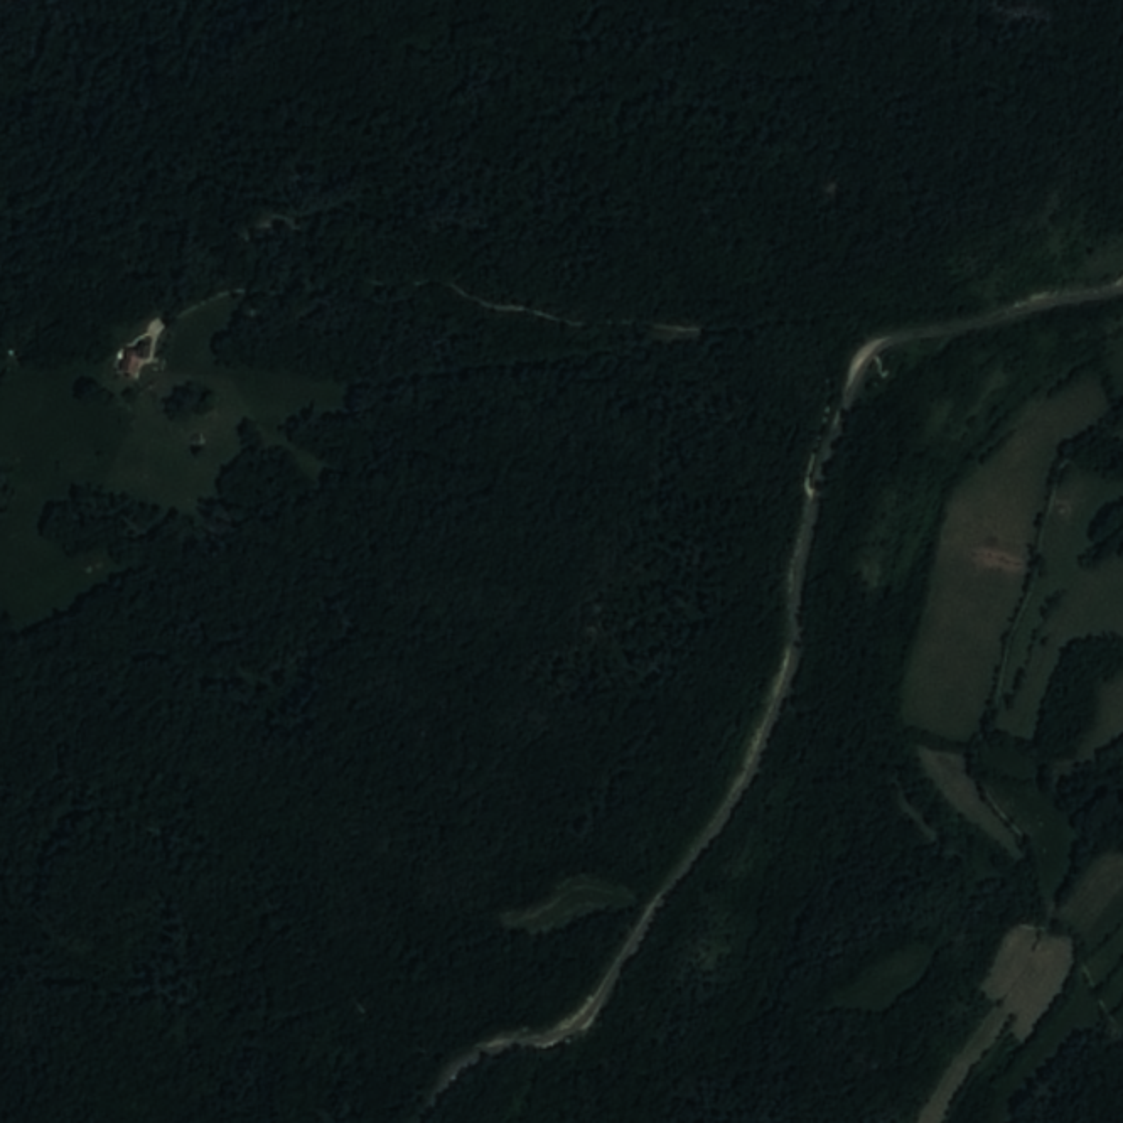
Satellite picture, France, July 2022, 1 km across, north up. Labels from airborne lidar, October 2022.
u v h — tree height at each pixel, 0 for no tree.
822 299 14
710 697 13
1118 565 0
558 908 0
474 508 13
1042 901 10
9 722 16
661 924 15
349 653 17
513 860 14
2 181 17
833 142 17
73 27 18
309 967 10
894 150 17
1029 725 0
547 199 29
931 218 15
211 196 18
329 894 11
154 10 15
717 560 11
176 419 14
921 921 6
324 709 19
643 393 13
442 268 9
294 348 19
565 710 10
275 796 11
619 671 17
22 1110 16
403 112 11
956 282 12
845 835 8
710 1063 22
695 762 11
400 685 8
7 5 23
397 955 12
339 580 16
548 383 18
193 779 10
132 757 13
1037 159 13
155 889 8
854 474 7
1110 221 10
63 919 14
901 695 7
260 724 26
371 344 13
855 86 19
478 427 17
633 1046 15
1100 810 24
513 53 12
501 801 11
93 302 17
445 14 18
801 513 12
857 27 15
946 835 18
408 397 30
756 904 9
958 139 15
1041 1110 17
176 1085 11
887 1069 21
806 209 13
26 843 19
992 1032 0
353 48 10
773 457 14
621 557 10
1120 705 0
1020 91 13
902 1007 14
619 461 8
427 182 15
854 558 12
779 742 18
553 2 17
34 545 0
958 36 12
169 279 15
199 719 17
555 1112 18
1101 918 0
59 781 15
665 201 11
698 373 10
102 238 16
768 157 18
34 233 12
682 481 11
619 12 13
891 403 7
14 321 19
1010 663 0
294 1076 12
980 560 0
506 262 13
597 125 16
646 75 16
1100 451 9
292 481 10
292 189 22
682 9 14
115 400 21
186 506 0
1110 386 8
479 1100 10
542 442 9
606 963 19
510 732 9
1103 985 8
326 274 15
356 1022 12
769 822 11
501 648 11
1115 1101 19
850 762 19
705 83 15
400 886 7
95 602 20
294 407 0
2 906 6
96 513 11
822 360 13
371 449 14
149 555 20
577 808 14
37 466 0
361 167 16
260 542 23
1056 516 0
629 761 16
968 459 12
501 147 9
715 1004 12
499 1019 9
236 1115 14
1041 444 0
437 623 8
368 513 18
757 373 10
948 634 0
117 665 12
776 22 19
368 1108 16
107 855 16
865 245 17
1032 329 11
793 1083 22
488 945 14
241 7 14
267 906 7
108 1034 11
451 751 13
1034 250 6
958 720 0
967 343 10
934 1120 0
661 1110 21
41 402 0
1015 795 0
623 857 8
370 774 15
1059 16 18
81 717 13
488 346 14
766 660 13
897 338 0
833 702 14
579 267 9
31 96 13
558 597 7
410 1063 10
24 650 19
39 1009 12
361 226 18
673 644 12
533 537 11
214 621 14
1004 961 0
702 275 9
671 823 17
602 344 9
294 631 9
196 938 16
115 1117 12
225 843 12
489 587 10
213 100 11
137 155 10
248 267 15
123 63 17
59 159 16
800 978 23
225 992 13
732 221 13
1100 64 18
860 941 15
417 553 8
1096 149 14
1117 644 11
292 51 14
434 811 14
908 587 7
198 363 0
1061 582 0
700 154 8
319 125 15
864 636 17
